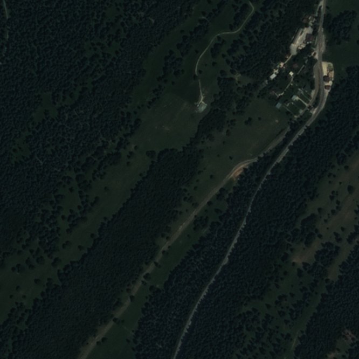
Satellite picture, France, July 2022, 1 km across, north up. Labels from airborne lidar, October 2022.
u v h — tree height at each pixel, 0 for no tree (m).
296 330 0
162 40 19
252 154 0
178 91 0
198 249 27
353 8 0
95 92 24
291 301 0
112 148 0
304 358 23
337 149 26
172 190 20
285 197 24
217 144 0
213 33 0
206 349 31
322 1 0
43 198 20
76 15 24
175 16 18
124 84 20
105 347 0
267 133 0
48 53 23
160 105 0
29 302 0
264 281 21
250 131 0
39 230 20
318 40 0
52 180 25
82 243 0
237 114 11
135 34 14
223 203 0
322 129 12
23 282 0
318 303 0
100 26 28
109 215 0
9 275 0
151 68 0
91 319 22
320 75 0
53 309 23
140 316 0
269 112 0
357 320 19
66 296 19
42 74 29
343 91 7
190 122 0
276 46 19
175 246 0
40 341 25
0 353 29
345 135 27
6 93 22
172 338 25
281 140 0
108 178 0
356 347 0
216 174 0
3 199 22
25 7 18
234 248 0
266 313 0
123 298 0
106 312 23
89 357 0
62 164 23
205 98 0
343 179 0
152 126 0
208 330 27
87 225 0
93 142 24
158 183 15
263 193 14
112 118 26
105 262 18
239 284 23
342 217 0
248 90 12
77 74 21
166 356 24
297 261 0
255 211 19
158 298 18
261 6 0
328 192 0
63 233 0
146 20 21
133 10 23
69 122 18
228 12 0
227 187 0
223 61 0
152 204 18
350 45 0
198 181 15
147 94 0
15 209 24
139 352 23
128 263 29
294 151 23
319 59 0
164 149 0
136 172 0
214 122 17
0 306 0
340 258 0
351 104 15
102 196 0
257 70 20
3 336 23
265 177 0
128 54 23
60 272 14
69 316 21
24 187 23
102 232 24
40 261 20
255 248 25
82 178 23
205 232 0
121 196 0
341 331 18
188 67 0
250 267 24
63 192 0
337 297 27
